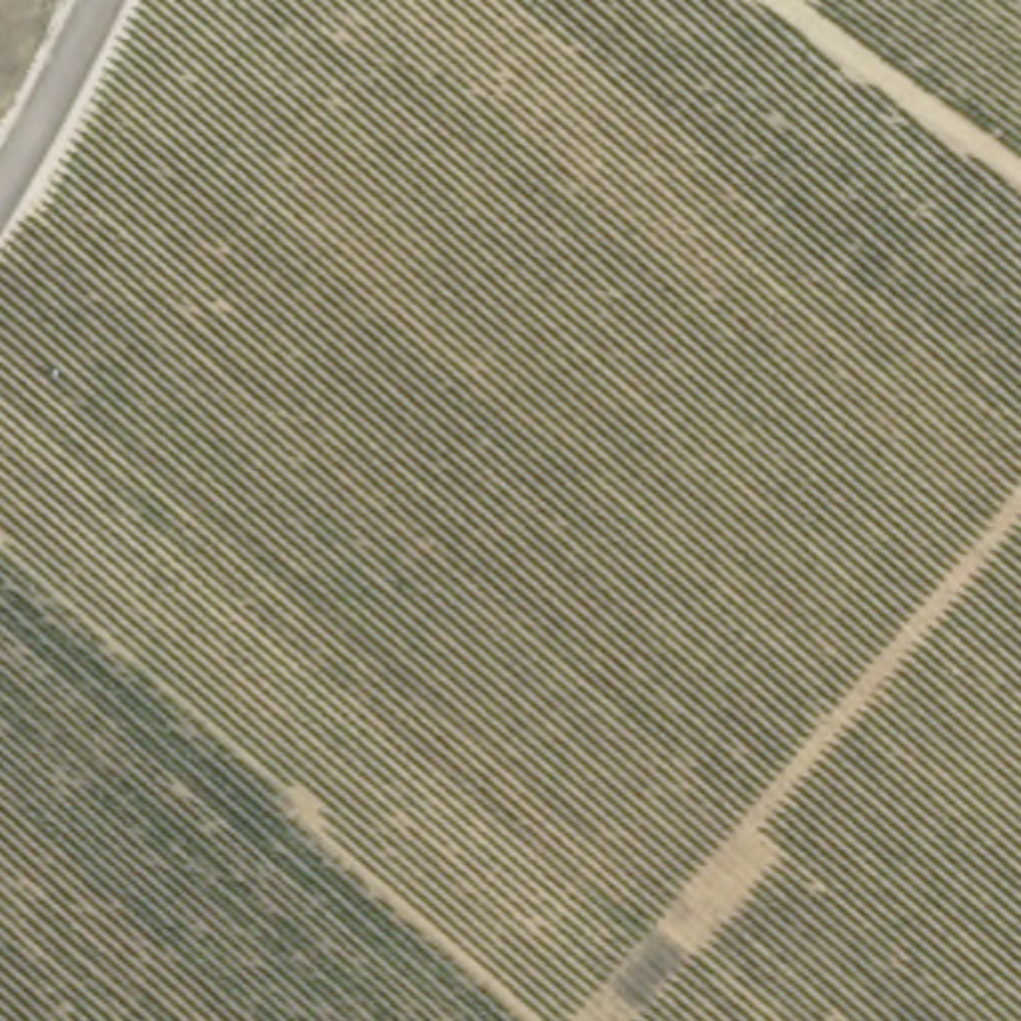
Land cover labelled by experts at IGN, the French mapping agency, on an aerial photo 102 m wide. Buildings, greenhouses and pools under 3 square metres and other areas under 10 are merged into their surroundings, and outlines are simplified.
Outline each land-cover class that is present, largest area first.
<instances>
[{"label":"vineyard","instance_id":"1","mask_svg":"<svg viewBox=\"0 0 1021 1021\"><path fill-rule=\"evenodd\" d=\"M0 1021H1021V0H124L56 144L48 148L36 179L16 203L8 231L0 235Z\"/></svg>","mask_w":1021,"mask_h":1021},{"label":"impervious surface","instance_id":"2","mask_svg":"<svg viewBox=\"0 0 1021 1021\"><path fill-rule=\"evenodd\" d=\"M124 0H76L20 120L12 124L0 148V235L8 231L16 203L36 179L48 148L56 144Z\"/></svg>","mask_w":1021,"mask_h":1021},{"label":"herbaceous vegetation","instance_id":"3","mask_svg":"<svg viewBox=\"0 0 1021 1021\"><path fill-rule=\"evenodd\" d=\"M60 0H0V116L8 112L36 48L44 44L48 20Z\"/></svg>","mask_w":1021,"mask_h":1021},{"label":"pervious surface","instance_id":"4","mask_svg":"<svg viewBox=\"0 0 1021 1021\"><path fill-rule=\"evenodd\" d=\"M76 0H60L48 20L44 44L36 48L8 112L0 116V148L12 124L20 120Z\"/></svg>","mask_w":1021,"mask_h":1021}]
</instances>
